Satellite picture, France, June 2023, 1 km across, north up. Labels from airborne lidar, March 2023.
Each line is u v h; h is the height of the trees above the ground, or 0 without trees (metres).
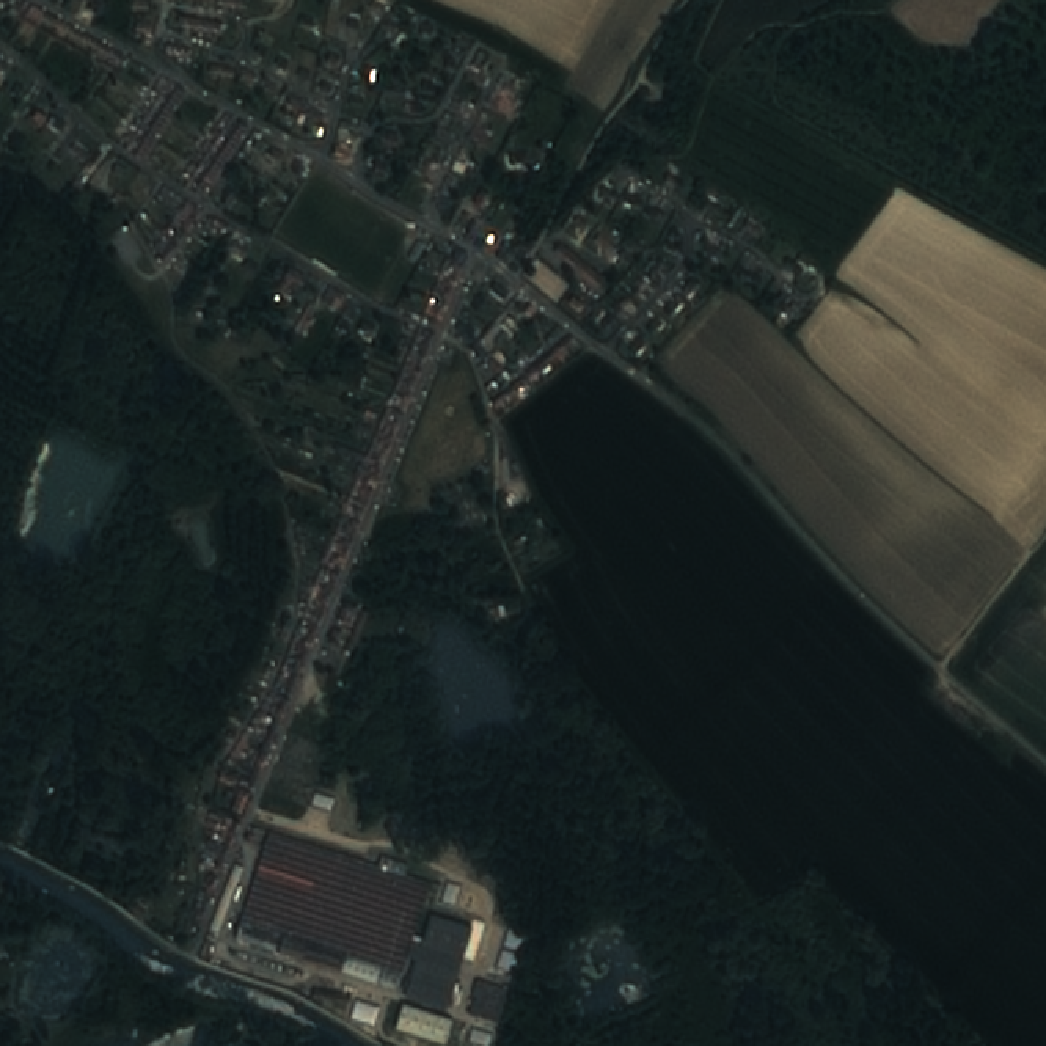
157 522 7
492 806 15
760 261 0
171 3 0
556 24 0
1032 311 0
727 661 0
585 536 0
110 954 10
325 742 5
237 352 0
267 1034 21
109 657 12
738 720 0
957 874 0
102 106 0
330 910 0
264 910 0
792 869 0
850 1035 15
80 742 26
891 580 0
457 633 0
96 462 0
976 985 0
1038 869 0
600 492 0
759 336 0
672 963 6
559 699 30
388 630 0
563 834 28
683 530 0
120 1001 6
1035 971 0
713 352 0
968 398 0
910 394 0
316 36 0
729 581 0
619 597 0
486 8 0
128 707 6
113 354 9
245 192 7
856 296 0
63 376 8
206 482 6
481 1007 0
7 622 7
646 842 8
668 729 0
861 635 0
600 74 0
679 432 0
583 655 0
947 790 0
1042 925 0
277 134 0
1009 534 0
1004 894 0
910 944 0
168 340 0
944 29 0
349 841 0
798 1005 7
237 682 18
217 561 0
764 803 0
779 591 0
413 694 23
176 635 6
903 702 0
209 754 11
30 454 7
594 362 0
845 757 0
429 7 0
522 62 0
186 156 0
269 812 0
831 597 0
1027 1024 0
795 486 0
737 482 0
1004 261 0
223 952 0
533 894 31
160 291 0
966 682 0
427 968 0
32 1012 0
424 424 0
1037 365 0
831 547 0
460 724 0
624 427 0
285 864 0
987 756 0
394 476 0
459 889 0
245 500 8
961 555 0
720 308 0
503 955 0
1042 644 0
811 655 0
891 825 0
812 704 0
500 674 0
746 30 0
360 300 0
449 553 6
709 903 20
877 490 0
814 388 0
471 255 0
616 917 6
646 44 0
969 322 0
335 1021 0
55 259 11
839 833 0
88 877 12
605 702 0
